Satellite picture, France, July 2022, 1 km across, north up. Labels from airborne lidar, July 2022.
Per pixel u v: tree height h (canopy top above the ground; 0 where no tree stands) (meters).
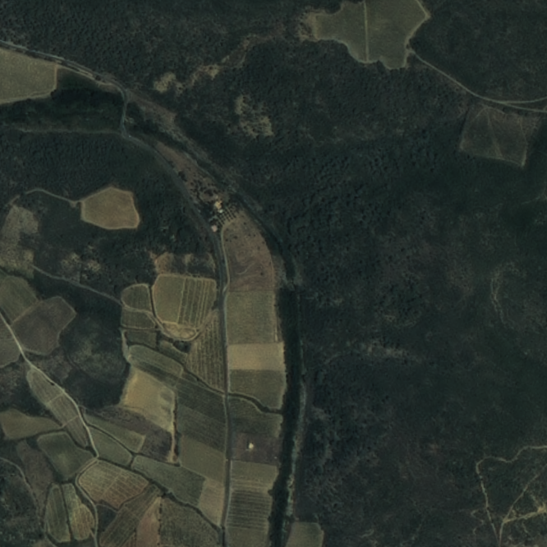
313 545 0
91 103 12
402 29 0
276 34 0
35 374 0
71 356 0
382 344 6
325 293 7
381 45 0
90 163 8
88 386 0
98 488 0
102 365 0
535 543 0
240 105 0
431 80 7
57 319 0
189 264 0
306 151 6
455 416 0
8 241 0
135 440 0
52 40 9
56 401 0
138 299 0
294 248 10
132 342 0
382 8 0
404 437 0
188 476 0
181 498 0
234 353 0
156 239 11
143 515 0
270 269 0
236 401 0
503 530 0
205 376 0
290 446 13
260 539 0
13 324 0
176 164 0
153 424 0
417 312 11
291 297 15
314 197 15
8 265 0
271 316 0
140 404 0
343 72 8
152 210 12
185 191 0
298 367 7
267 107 8
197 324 0
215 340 0
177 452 6
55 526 0
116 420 0
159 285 0
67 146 7
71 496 0
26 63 0
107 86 0
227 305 0
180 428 0
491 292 0
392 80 9
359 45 0
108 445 0
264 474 0
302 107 6
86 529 0
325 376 6
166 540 0
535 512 0
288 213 11
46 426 0
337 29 0
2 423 0
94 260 8
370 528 0
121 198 0
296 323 6
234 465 0
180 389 0
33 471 0
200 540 0
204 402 0
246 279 0
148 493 0
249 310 0
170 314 0
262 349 0
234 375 0
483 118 0
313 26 0
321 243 14
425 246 0
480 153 0
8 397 0
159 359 0
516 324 0
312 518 6
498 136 0
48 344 0
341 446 6
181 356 0
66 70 0
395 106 7
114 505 0
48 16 10
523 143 0
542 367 6
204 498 0
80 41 11
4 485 11
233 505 0
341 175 9
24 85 0
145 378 0
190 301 0
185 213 9
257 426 0
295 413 12
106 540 0
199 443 0
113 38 11
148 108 0
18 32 13
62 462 0
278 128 6
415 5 0
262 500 0
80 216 0
